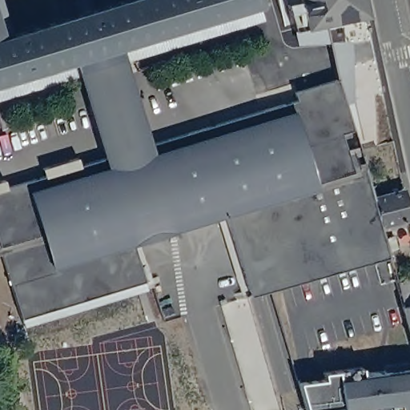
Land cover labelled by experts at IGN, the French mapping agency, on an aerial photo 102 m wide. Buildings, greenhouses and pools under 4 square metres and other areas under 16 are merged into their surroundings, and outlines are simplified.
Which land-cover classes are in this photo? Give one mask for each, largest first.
<instances>
[{"label":"building","instance_id":"1","mask_svg":"<svg viewBox=\"0 0 410 410\"><path fill-rule=\"evenodd\" d=\"M274 5L272 0H122L119 5L111 6L107 10L96 11L11 38L6 29L8 8L5 0H0V102L45 90L48 85L62 82H67L70 77L78 78L85 80L91 106L101 131L102 143L106 149V157L86 162L85 165L82 160H74L48 168L42 178L29 179L18 186L0 183V261L6 280H13V287L10 288L11 298L18 316L22 314L26 319L24 327H37L46 322L75 316L80 312L147 293L151 288L146 285V272L139 259L138 248L151 247L155 242L179 239L184 232L226 221L234 243L235 255L242 269L243 280L247 285V298H269L274 295L282 291L283 287H288L291 283L303 282L306 285L320 279L335 277L343 272L356 271L359 264L391 258L388 232L384 231V227L391 229V221L400 227L402 224L410 223V194L402 187L400 191L394 189L388 194L378 195L376 184L373 183L370 171V160L364 157L365 149H372L375 141H378L375 99L378 94L383 93L372 32L368 30V22H378L375 0H280L283 24L298 26L296 32L299 45L333 46L340 78L335 82L299 91L295 102H283L261 111L215 123L210 127L197 128L183 135L160 139L155 143L154 130L149 125L143 98H139V93L146 88L135 82L139 61L181 46L194 45L210 38L231 34L235 30L258 26L266 21L264 14ZM307 410H410V370L400 373L348 370L330 373L325 381L303 384Z\"/></svg>","mask_w":410,"mask_h":410},{"label":"impervious surface","instance_id":"2","mask_svg":"<svg viewBox=\"0 0 410 410\"><path fill-rule=\"evenodd\" d=\"M274 5L264 14L266 21L258 26L235 30L231 34L210 38L194 45L181 46L139 61L135 82L146 88L139 93V98H143L149 125L154 130L155 143L160 139L183 135L197 128L210 127L215 123L261 111L283 102H295L299 91L335 82L340 78L333 46L299 45L296 32L298 26L283 24L280 0H272ZM245 38H261L263 42L272 45L271 54L267 58L253 62L250 67L232 66L231 69L215 70L207 77L192 75L184 82L171 83V88L167 90H159L149 83L152 70L159 69L171 59L223 50L226 46L240 45ZM378 22H368V30L372 32L383 93L391 123L392 143L396 146L399 168L397 179L402 181V187L410 194V0H375ZM82 91H74L77 107L72 115V122L54 119L48 125H34L32 130L24 133H14L5 122L10 109L14 106L38 104L45 102L46 98L53 94H67V86L62 82L48 85L45 90L0 102V183L18 186L29 179L42 178L48 168L74 160H82L85 165L86 162L106 157V149L102 143L101 131L91 106L85 80L78 78ZM139 259L146 272V285L151 288L147 293L154 316L162 314V320L165 322L179 319L183 314L189 316L186 327L192 325L199 346L203 372L210 381L213 394L205 400V404L213 405V410H307L303 384L293 381L291 376L290 370L295 365V359H291L274 295L269 298H247V285L243 280L242 269L235 255L234 243L226 221L184 232L179 239L155 242L151 247L138 248ZM384 231L388 232L391 258L359 264L356 271L343 272L335 277L320 279L306 285L303 282L291 283L288 287H283L282 291L299 359L312 357L314 352L322 349H332L330 343L348 340L356 333L370 335L373 332H381V346H389L386 341L392 325L399 327L402 324L407 335V343H410V223L402 224L400 227L391 221V229L384 227ZM26 338L24 327L14 322H10L5 328L0 325V348H16ZM35 410H175L165 336L152 322L96 336L91 346L37 352L29 360Z\"/></svg>","mask_w":410,"mask_h":410},{"label":"herbaceous vegetation","instance_id":"3","mask_svg":"<svg viewBox=\"0 0 410 410\"><path fill-rule=\"evenodd\" d=\"M8 8L6 29L11 38L96 11L107 10L111 6L119 5L122 0H5ZM378 141H375L372 149H365L364 157L370 160L380 159L384 171L392 178L376 184L378 195L388 194L394 189L400 191L402 187V181L397 179L399 168L396 146L392 143L391 123L383 93L378 94L375 99ZM13 287V280H6L0 261V325L5 328L10 322H14L24 327L26 319L22 314L18 316L11 298L10 288ZM291 359H295V365L290 370L291 376L293 381L303 384L325 381L330 373L348 370L400 373L410 370V343H407V335L402 324L399 327L392 325L386 341L389 346H381V332H373L370 335L356 333L348 340L330 343L332 349H322L314 352L312 357L299 359L282 291L274 295ZM189 316L183 314L179 319L165 322L162 320V314L154 316L147 293L80 312L75 316L46 322L37 327H24L26 338L35 344L37 352L91 346L96 336L152 322L165 336L175 410H213V405L205 404V400L213 394L210 381L203 372L199 346L192 325L186 327ZM18 373L19 378L26 383V389L19 394V402L27 410H35L29 360H22Z\"/></svg>","mask_w":410,"mask_h":410},{"label":"deciduous trees","instance_id":"4","mask_svg":"<svg viewBox=\"0 0 410 410\"><path fill-rule=\"evenodd\" d=\"M272 45L263 42L261 38H245L240 45L226 46L223 50L171 59L159 69L152 70L149 83L159 90H167L171 88V83L184 82L192 75L207 77L215 70L231 69L232 66L250 67L253 62L267 58L271 54ZM67 86V94H53L46 98L45 102L38 104L14 106L10 109L5 122L14 133H24L32 130L34 125H48L54 119L72 122V115L77 107L74 91H82L78 78L70 77L67 82H62ZM370 171L373 183L376 184L392 178L384 171L380 159L370 160ZM14 351L18 352L22 360H29L37 352L35 344L26 338L16 348Z\"/></svg>","mask_w":410,"mask_h":410},{"label":"coniferous trees","instance_id":"5","mask_svg":"<svg viewBox=\"0 0 410 410\"><path fill-rule=\"evenodd\" d=\"M16 348H0V410H27L19 402V394L26 389V383L19 378L18 373L22 360L18 352L14 351Z\"/></svg>","mask_w":410,"mask_h":410}]
</instances>
